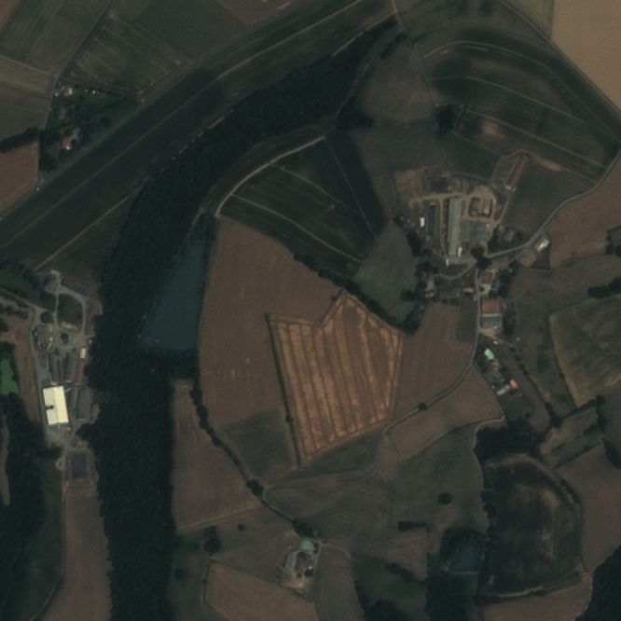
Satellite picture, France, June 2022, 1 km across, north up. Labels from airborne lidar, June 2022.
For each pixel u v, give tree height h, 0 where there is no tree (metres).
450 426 0
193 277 0
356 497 0
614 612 21
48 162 17
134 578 15
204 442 0
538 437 8
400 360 0
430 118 0
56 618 0
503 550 0
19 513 19
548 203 0
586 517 0
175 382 0
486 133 0
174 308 0
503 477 0
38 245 0
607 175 0
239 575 0
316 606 0
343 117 15
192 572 0
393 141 0
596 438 0
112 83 0
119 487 20
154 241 21
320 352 0
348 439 0
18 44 0
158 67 0
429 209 0
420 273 10
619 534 0
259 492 13
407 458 0
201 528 0
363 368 0
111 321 18
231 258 0
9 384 0
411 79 0
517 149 0
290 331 0
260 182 0
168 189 19
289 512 0
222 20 0
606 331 0
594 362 0
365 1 0
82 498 0
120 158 0
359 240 0
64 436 0
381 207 0
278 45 0
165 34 0
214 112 0
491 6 0
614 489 0
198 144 14
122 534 18
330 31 0
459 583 9
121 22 0
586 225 0
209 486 0
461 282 0
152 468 22
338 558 0
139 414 22
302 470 0
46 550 0
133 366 20
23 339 0
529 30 0
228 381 0
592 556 0
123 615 17
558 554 0
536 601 0
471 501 0
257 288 0
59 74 0
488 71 0
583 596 0
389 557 0
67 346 0
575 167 0
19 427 19
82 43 0
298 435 0
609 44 0
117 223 0
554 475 0
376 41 9
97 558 0
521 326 0
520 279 0
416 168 0
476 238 0
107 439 15
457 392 0
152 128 0
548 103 0
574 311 0
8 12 0
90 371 16
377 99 0
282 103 18
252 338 0
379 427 0
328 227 0
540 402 0
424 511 0
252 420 0
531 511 0
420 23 0
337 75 18
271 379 0
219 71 0
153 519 21
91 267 0
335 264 0
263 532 0
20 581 22
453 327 0
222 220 0
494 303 0
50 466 0
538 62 0
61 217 0
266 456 0
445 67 0
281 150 0
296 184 0
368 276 0
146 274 22
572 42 0
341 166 0
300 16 0
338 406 0
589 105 0
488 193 0
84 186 0
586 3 0
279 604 0
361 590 13
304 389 0
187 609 0
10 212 0
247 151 15
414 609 0
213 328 0
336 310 0
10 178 0
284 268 0
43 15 0
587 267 0
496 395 0
